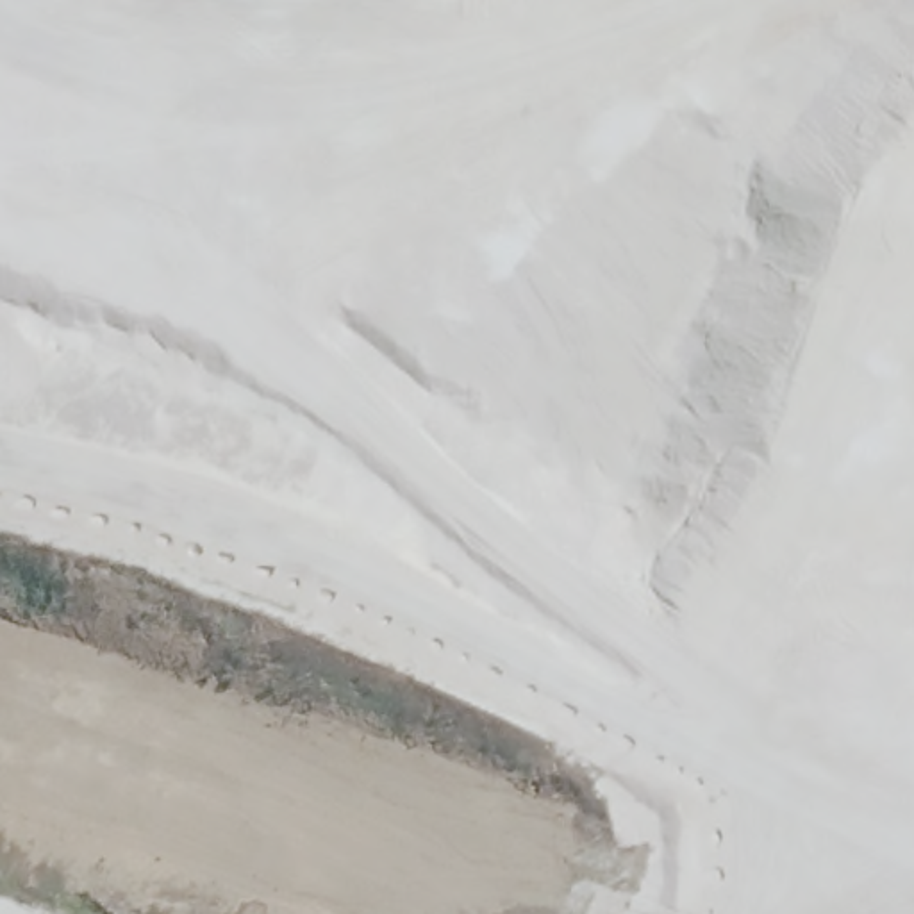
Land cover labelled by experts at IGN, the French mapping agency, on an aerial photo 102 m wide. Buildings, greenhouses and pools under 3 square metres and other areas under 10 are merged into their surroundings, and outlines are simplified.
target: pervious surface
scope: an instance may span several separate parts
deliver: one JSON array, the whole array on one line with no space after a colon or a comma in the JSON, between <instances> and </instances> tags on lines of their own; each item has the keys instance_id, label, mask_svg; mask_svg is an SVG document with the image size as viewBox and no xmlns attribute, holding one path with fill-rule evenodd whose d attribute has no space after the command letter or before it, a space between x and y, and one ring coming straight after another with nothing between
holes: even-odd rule
<instances>
[{"instance_id":1,"label":"pervious surface","mask_svg":"<svg viewBox=\"0 0 914 914\"><path fill-rule=\"evenodd\" d=\"M136 907L150 907L161 893L161 882L168 882L225 896L232 907L261 900L268 903L268 914L914 914L914 0L0 0L0 532L25 536L29 543L46 543L71 553L146 568L200 596L268 614L296 632L318 636L364 661L386 664L536 739L546 739L568 768L582 768L582 778L589 778L593 793L607 803L611 828L618 835L607 850L578 843L571 832L571 803L564 803L561 796L521 796L511 789L503 771L468 768L436 750L403 746L400 739L353 728L346 718L325 721L321 714L268 707L229 689L218 693L214 686L196 686L189 678L143 668L136 661L93 650L64 636L0 621L0 832L11 843L18 843L18 850L32 864L61 868L68 889L89 893L100 903L114 889L121 889Z\"/></svg>"}]
</instances>

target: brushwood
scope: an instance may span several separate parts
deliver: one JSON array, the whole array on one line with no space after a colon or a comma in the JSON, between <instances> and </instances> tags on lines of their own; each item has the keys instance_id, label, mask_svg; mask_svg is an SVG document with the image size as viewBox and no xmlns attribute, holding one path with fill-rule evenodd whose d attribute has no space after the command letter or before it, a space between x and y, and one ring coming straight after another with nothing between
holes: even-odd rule
<instances>
[{"instance_id":1,"label":"brushwood","mask_svg":"<svg viewBox=\"0 0 914 914\"><path fill-rule=\"evenodd\" d=\"M54 578L50 568L32 561L18 575L21 603L36 614L64 618L64 578Z\"/></svg>"}]
</instances>

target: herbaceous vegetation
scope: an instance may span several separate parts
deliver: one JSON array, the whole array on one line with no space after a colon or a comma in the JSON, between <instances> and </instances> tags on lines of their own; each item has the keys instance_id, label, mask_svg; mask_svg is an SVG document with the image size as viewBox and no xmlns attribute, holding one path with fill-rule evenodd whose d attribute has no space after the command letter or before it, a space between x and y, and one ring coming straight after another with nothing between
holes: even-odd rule
<instances>
[{"instance_id":1,"label":"herbaceous vegetation","mask_svg":"<svg viewBox=\"0 0 914 914\"><path fill-rule=\"evenodd\" d=\"M89 893L68 889L61 868L32 864L18 850L18 843L11 843L0 832L0 914L268 914L268 903L261 900L232 907L225 896L168 882L161 882L161 893L150 907L136 907L121 889L114 889L100 903Z\"/></svg>"},{"instance_id":2,"label":"herbaceous vegetation","mask_svg":"<svg viewBox=\"0 0 914 914\"><path fill-rule=\"evenodd\" d=\"M64 578L64 618L36 614L21 603L18 575L32 561L50 568L54 578ZM325 721L346 718L353 728L400 739L403 746L436 750L468 768L503 771L511 789L521 796L561 796L564 803L571 803L571 832L578 843L607 850L618 835L611 828L607 803L593 793L589 778L582 778L582 768L568 768L546 739L536 739L386 664L364 661L318 636L296 632L268 614L200 596L146 568L71 553L46 543L29 543L25 536L0 532L0 621L64 636L93 650L136 661L143 668L189 678L196 686L214 686L218 693L229 689L268 707L321 714Z\"/></svg>"}]
</instances>

